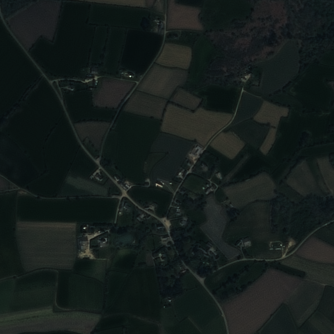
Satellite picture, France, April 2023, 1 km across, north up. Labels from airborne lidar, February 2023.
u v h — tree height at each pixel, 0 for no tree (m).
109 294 0
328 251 0
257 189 0
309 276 0
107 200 0
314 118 0
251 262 0
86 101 0
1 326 0
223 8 0
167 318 0
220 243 0
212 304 0
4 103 0
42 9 0
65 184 0
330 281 0
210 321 0
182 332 0
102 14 0
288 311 0
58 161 0
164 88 0
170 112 0
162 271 8
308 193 0
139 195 0
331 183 0
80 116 0
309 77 0
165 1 0
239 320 0
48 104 0
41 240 0
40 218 0
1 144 0
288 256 0
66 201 7
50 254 0
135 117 0
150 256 0
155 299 0
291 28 15
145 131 0
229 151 0
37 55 0
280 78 0
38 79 6
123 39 0
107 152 0
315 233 0
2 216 0
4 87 0
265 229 0
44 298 0
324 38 17
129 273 0
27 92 6
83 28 0
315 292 0
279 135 0
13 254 0
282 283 0
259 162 0
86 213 0
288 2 12
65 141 0
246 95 0
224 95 0
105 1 0
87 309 0
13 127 0
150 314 0
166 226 0
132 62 0
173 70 0
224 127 0
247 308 0
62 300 0
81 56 0
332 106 13
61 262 0
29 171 0
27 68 0
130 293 0
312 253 0
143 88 0
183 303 0
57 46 0
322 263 0
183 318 0
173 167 0
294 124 0
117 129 0
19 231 0
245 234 0
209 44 0
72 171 0
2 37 0
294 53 0
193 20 0
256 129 0
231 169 0
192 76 0
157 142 0
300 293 0
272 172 0
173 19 0
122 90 0
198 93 0
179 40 0
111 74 5
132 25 0
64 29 0
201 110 0
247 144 0
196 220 0
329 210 19
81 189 0
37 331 0
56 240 0
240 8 0
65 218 0
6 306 0
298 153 9
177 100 0
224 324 0
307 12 16
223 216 0
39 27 0
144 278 0
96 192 0
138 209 7
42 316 0
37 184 0
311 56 14
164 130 0
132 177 0
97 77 0
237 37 7
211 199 0
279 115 0
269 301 0
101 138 0
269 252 0
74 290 0
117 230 9
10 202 0
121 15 0
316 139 0
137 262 0
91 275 0
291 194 0
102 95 0
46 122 0
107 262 0
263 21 6
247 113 0
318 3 9
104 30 0
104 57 15
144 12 0
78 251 0
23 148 0
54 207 0
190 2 0
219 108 0
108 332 0
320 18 18
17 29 0
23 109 0
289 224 18
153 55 0
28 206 0
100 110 0
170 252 0
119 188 0
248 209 0
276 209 11
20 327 0
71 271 0
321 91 0
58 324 0
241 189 0
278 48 0
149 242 0
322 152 0
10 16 12
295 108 0
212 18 0
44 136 0
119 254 0
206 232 0
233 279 10
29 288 0
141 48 0
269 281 0
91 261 0
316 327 0
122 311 0
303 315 0
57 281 0
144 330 0
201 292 0
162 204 0
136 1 0
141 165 0
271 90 0
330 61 0
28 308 0
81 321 0
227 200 7
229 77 12
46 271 0
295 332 0
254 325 0
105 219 0
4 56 0
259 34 8
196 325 0
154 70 0
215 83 7
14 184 0
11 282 0
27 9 0
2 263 0
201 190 0
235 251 0
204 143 0
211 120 0
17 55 0
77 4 0
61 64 0
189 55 0
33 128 0
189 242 14
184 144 0
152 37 0
